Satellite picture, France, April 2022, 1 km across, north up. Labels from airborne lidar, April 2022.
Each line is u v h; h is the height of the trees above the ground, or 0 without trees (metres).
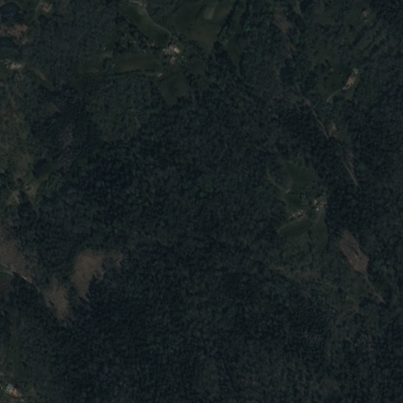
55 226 21
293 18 24
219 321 22
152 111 26
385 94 12
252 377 16
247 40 19
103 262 0
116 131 12
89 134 24
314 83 23
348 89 0
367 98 14
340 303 14
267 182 23
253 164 23
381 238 36
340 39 21
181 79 0
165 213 26
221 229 31
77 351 22
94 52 11
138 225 22
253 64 29
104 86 6
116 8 25
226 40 14
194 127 26
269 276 29
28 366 18
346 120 19
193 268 27
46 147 20
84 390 23
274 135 18
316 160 32
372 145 22
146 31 0
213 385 13
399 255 32
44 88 6
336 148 30
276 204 24
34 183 0
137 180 32
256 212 25
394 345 26
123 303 16
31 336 23
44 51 23
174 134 23
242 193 26
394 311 29
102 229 23
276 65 23
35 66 7
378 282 21
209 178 29
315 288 9
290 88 28
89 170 6
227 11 0
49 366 25
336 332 19
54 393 20
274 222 25
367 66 20
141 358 13
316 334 17
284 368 10
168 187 36
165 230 19
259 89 30
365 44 20
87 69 0
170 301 24
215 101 22
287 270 8
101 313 19
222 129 28
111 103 23
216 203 26
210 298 20
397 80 23
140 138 10
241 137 22
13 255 0
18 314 19
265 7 8
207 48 0
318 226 0
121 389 15
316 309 10
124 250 24
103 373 11
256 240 21
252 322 19
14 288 7
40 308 24
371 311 25
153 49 19
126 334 19
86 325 22
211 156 25
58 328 14
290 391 12
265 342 27
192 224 23
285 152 31
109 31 25
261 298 10
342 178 30
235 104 27
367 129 25
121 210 16
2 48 10
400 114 22
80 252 21
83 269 0
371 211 25
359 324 22
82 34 22
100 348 12
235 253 18
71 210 34
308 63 19
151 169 24
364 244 25
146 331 18
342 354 20
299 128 27
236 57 0
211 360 23
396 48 7
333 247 14
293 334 25
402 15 29
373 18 0
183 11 0
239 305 12
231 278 21
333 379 16
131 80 14
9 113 7
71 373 25
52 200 9
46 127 22
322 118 21
